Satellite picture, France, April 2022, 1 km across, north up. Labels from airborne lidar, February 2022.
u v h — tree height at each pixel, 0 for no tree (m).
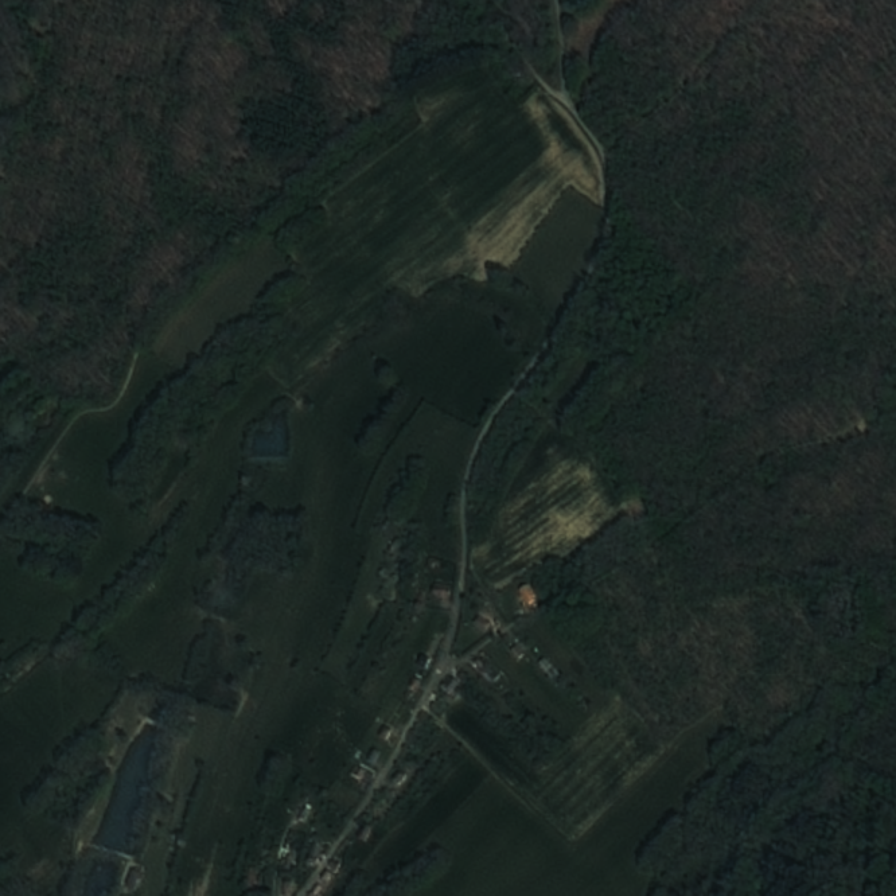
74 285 15
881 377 26
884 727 15
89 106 16
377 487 0
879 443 21
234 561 25
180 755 0
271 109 16
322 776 0
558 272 0
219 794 0
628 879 0
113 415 0
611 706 0
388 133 7
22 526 24
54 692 0
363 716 0
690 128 19
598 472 0
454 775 0
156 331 25
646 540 20
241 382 20
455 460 0
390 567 9
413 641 0
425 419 0
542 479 0
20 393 19
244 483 15
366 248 0
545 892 0
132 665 0
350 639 0
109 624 24
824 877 23
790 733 25
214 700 0
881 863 26
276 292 18
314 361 0
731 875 14
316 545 0
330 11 18
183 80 19
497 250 0
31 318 23
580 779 0
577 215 0
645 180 20
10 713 0
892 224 23
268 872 10
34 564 19
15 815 0
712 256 21
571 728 0
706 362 20
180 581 0
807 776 23
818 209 22
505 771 0
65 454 0
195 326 0
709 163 18
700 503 19
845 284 22
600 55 18
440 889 0
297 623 0
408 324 0
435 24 24
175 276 23
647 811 0
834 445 12
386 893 18
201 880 0
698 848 28
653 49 21
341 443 0
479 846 0
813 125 23
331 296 0
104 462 0
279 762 20
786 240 24
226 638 0
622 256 21
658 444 22
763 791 29
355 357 0
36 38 27
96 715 0
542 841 0
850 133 23
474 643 0
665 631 20
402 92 24
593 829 0
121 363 16
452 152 0
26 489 0
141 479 29
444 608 0
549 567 11
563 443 0
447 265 0
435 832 0
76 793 23
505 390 0
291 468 0
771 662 14
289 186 23
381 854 0
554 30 18
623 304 23
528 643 7
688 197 23
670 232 21
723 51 15
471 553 0
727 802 27
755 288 21
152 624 0
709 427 19
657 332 21
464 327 0
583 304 25
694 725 19
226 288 0
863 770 18
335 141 25
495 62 22
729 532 25
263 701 0
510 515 0
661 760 0
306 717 0
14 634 0
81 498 0
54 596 0
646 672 18
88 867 19
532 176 0
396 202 0
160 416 29
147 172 17
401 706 0
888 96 24
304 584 0
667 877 18
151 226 18
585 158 0
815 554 22
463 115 0
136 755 0
